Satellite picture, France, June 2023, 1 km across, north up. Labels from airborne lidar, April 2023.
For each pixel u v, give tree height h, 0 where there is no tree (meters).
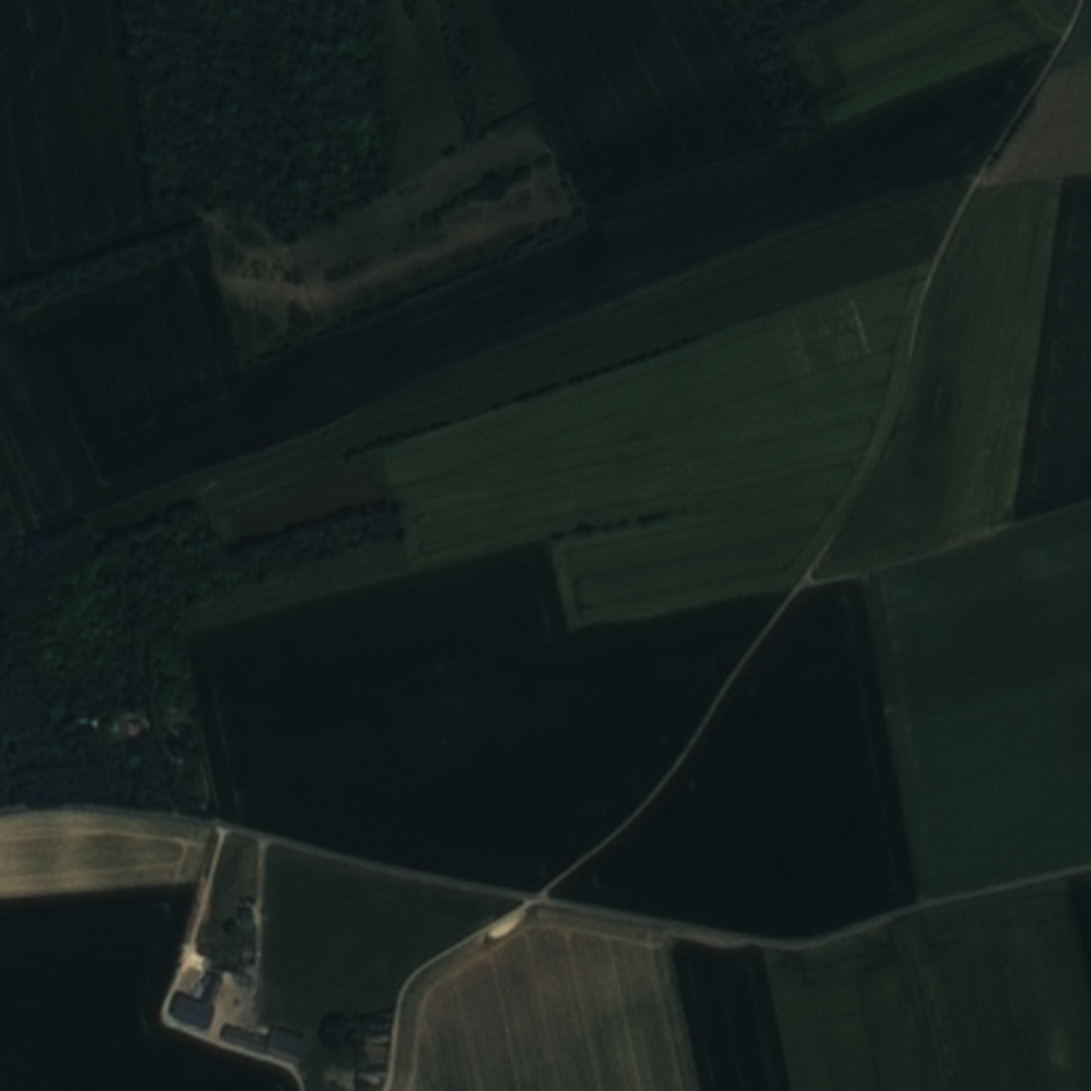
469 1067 0
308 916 0
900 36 0
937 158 0
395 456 0
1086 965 0
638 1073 0
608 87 0
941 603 0
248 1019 0
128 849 0
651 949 0
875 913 0
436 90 0
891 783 0
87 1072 0
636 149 0
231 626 0
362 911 0
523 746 0
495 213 0
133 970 0
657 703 0
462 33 6
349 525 14
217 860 0
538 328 0
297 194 15
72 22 0
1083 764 0
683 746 0
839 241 0
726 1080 0
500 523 0
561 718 0
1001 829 0
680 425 0
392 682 0
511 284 0
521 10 0
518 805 0
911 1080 0
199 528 12
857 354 0
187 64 21
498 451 0
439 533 0
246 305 0
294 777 0
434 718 0
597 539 0
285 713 0
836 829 0
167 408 0
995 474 0
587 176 0
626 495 0
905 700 0
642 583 0
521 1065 0
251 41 14
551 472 0
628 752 0
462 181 0
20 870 0
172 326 0
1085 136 0
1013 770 0
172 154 17
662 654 0
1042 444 0
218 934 0
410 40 0
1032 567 0
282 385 0
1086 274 0
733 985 0
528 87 0
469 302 0
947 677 0
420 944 0
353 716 0
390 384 0
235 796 0
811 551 0
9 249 0
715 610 0
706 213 0
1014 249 0
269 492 0
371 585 0
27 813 0
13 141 0
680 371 0
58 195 0
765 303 0
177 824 0
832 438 0
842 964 0
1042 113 0
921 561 0
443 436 0
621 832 0
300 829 0
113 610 16
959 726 0
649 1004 0
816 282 0
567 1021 0
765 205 0
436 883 0
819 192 0
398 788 0
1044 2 0
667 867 0
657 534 0
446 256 0
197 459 0
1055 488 0
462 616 0
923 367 0
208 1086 0
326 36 19
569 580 0
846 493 0
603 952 0
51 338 0
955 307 0
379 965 0
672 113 0
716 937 0
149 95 10
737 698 0
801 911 0
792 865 0
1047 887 0
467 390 0
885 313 0
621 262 0
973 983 0
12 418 0
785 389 0
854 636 0
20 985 0
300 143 17
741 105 0
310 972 0
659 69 0
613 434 0
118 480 0
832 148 0
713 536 0
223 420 0
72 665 7
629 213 0
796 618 0
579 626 0
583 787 0
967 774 0
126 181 0
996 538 0
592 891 0
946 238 0
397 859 0
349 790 0
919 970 0
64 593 16
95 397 0
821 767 0
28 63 0
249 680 0
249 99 18
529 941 0
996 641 0
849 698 0
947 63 0
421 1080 0
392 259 0
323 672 0
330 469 0
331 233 0
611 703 0
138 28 14
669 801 0
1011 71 0
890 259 0
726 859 0
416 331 0
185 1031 0
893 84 0
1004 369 0
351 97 11
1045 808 0
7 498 7
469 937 0
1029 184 0
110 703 9
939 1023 0
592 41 0
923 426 0
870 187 0
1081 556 0
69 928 0
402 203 0
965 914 0
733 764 0
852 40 0
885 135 0
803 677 0
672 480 0
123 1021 0
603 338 0
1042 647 0
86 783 14
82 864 0
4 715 11
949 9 0
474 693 0
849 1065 0
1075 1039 0
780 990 0
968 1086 0
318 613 0
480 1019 0
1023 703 0
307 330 0
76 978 0
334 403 0
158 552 14
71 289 12
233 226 0
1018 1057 0
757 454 0
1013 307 0
